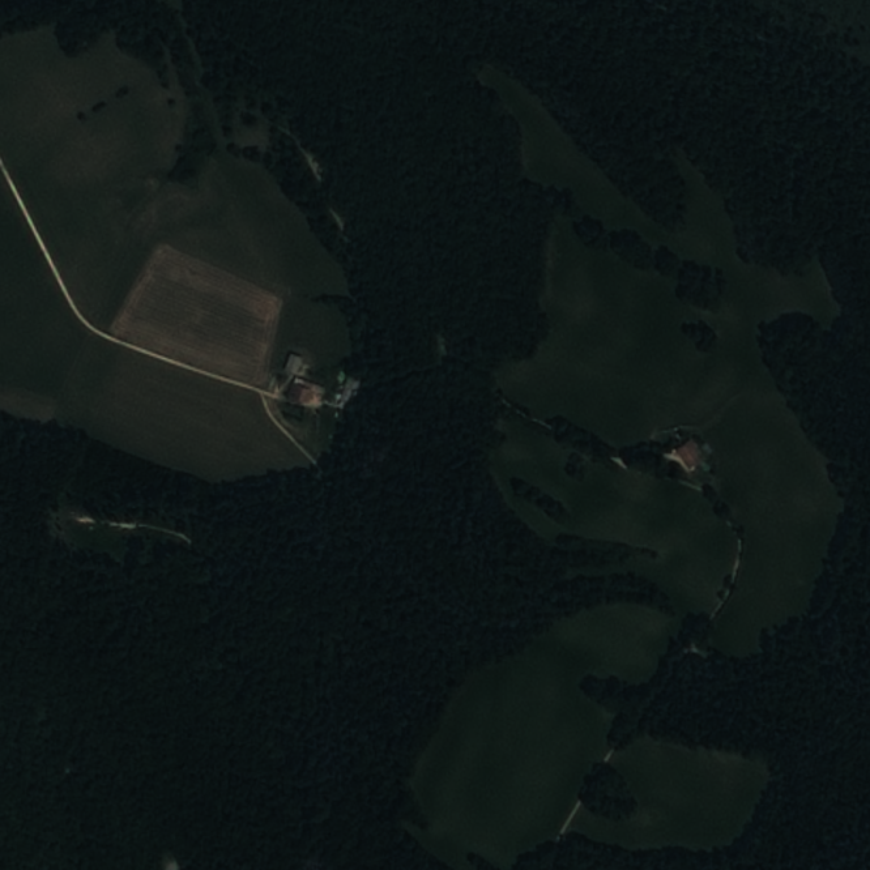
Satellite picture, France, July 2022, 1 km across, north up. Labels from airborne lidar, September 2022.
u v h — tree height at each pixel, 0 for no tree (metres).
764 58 23
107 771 11
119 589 15
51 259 0
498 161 18
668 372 0
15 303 0
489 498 25
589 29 22
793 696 15
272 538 14
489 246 19
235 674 22
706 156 25
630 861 12
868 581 15
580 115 23
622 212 0
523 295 22
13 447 30
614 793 16
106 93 0
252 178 0
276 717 19
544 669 0
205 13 9
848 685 12
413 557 20
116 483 7
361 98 16
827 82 21
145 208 0
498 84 0
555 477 0
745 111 22
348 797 28
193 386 0
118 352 0
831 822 18
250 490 20
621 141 22
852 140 25
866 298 27
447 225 17
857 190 21
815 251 21
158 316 0
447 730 0
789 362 21
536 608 22
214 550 12
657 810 0
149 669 17
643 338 0
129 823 10
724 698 19
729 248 0
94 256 0
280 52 20
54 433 23
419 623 26
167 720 15
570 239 0
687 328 13
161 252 0
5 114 0
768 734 20
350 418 19
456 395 9
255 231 0
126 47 16
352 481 25
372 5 17
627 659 0
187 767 16
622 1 24
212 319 0
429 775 0
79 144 0
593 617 0
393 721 23
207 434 0
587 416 0
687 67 21
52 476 26
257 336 0
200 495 15
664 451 8
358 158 21
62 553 18
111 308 0
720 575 0
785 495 0
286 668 19
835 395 16
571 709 0
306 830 26
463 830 0
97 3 8
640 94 25
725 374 0
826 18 14
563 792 0
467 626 21
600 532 0
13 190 0
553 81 26
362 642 23
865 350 17
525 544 15
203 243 0
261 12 21
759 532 0
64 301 0
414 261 19
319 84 21
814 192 24
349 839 27
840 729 16
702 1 17
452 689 23
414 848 20
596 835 0
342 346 0
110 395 0
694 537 0
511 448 0
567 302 0
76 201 0
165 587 21
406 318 21
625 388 0
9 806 9
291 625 19
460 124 16
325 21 14
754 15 16
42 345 0
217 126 0
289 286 0
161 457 0
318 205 19
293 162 16
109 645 20
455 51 23
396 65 19
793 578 0
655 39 20
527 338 21
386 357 22
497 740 0
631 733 20
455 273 20
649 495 0
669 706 15
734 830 0
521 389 0
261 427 0
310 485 21
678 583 0
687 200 7
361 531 20
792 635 16
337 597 27
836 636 27
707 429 0
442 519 17
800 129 22
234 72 14
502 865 0
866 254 24
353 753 22
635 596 6
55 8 26
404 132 21
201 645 23
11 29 16
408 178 17
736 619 0
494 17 21
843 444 14
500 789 0
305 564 25
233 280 0
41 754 10
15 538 16
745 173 25
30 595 20
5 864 13
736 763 0
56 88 0
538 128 0
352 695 19
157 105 0
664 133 23
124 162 0
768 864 20
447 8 19
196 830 18
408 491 16
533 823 0
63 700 14
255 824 18
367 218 19
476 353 19
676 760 0
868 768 15
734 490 0
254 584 25
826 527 0
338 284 0
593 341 0
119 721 13
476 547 19
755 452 0
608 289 0
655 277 0
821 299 0
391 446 20
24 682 10
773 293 0
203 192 0
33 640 19
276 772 19
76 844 11
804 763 15
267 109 14
